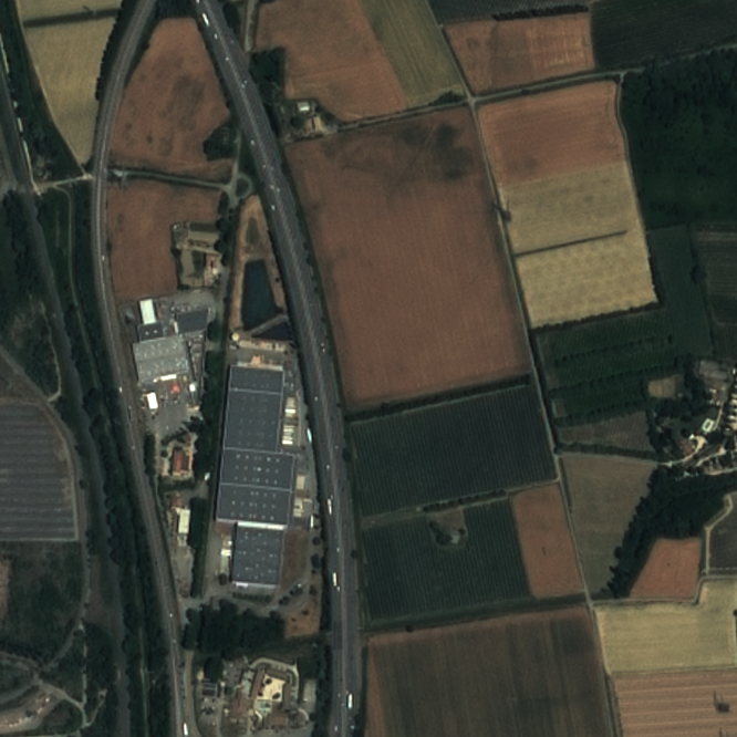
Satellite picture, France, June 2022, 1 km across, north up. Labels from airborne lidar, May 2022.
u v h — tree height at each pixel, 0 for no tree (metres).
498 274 0
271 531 0
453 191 0
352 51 0
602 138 0
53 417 0
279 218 0
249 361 0
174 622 0
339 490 0
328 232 0
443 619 0
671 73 16
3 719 0
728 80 13
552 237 0
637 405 15
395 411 14
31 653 8
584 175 0
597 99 0
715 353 7
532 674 0
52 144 21
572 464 0
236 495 0
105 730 8
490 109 0
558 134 0
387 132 0
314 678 8
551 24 0
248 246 0
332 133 0
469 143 0
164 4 18
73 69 0
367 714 0
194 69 0
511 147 0
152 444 14
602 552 0
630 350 15
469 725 0
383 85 0
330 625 14
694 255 8
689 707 0
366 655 0
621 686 0
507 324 0
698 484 16
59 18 0
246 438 0
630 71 6
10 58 7
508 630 0
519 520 0
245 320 0
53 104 0
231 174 0
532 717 0
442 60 0
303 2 0
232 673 0
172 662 0
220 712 0
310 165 0
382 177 0
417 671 0
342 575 0
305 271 0
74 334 17
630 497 0
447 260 0
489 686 0
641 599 0
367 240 0
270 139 0
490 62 0
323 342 0
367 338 0
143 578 8
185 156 0
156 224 0
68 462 0
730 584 0
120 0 0
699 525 14
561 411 0
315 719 11
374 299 0
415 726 0
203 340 0
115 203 0
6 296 11
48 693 0
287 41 0
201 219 0
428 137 0
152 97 0
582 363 14
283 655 0
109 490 23
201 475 20
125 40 0
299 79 0
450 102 7
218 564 0
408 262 0
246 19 0
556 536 0
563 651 0
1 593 0
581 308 0
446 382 0
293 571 0
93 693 10
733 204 0
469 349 0
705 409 15
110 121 0
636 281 0
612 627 0
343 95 0
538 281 0
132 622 22
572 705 0
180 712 0
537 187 0
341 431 0
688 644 0
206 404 20
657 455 14
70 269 0
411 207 0
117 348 0
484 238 0
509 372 0
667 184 0
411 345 0
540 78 0
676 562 0
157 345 0
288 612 0
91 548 11
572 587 0
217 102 0
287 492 0
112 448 17
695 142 0
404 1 0
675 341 12
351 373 0
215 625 12
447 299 0
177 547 0
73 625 9
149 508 0
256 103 0
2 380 0
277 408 0
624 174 0
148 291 0
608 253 0
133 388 0
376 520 0
